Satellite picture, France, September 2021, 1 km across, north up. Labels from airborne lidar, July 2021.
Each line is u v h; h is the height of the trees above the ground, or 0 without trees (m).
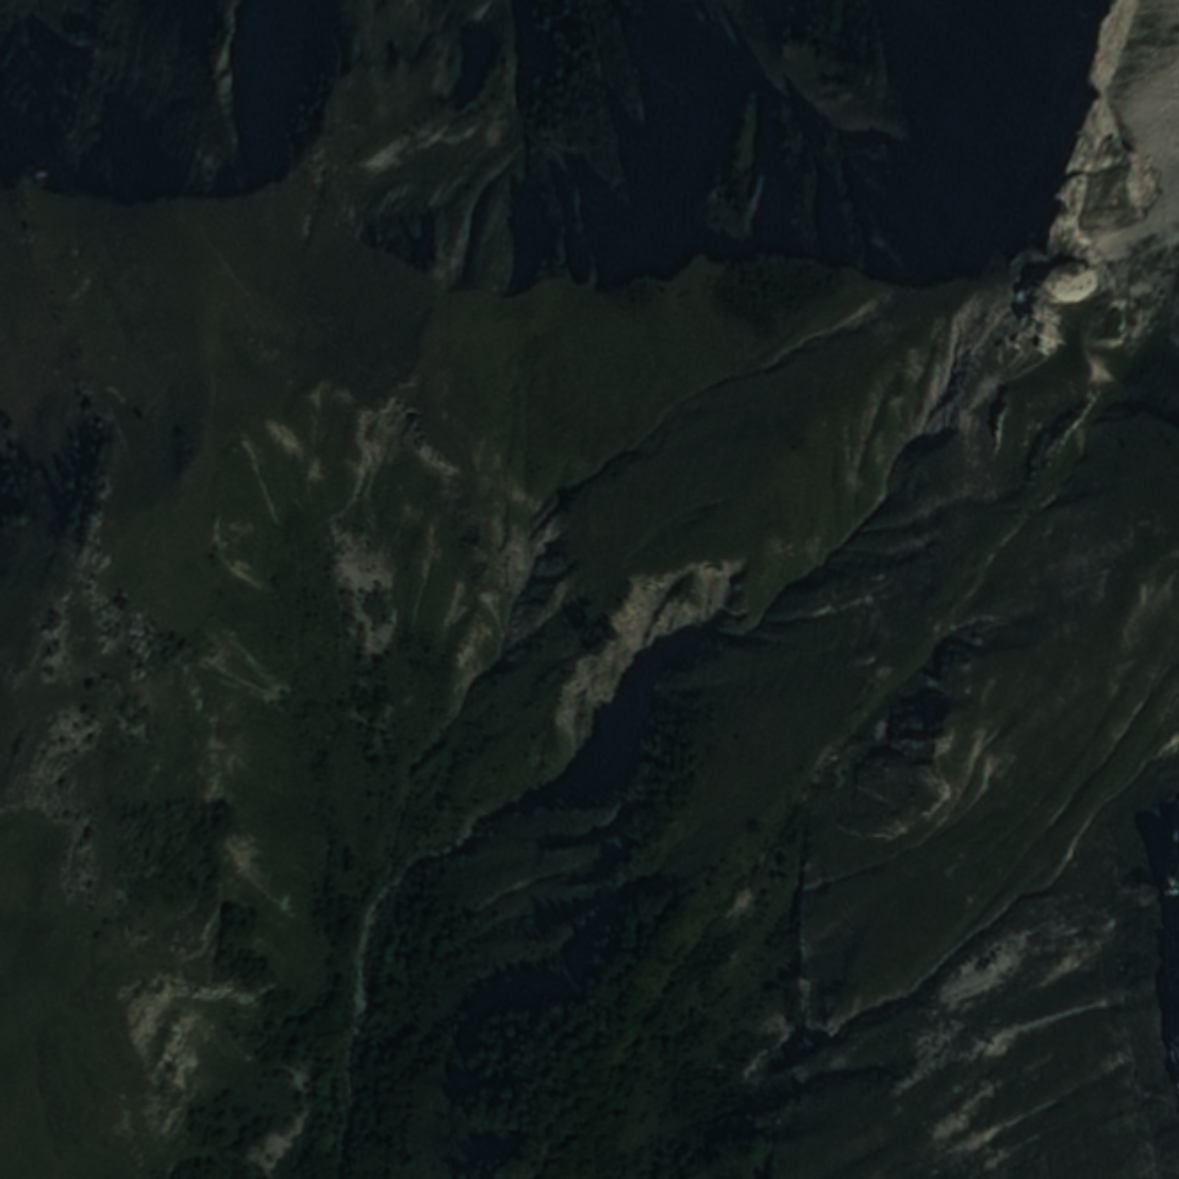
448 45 0
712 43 0
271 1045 12
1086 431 0
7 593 0
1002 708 0
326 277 0
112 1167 0
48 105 0
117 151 0
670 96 0
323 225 0
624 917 15
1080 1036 0
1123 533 0
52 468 0
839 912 0
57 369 0
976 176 0
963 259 0
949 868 0
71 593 0
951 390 0
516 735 0
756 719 0
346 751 0
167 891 7
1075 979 0
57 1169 0
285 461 0
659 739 9
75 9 0
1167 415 0
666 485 0
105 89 0
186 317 0
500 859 0
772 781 0
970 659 0
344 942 12
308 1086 8
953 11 0
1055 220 0
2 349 0
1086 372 0
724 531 0
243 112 0
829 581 0
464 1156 0
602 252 0
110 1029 0
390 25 0
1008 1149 0
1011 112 0
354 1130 15
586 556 0
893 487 0
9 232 0
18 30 0
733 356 0
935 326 0
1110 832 0
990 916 0
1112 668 0
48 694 0
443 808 10
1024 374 0
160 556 0
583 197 0
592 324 0
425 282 0
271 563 0
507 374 0
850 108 0
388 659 9
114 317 0
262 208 0
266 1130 9
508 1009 12
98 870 0
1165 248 0
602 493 0
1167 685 0
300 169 0
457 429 0
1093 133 0
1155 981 0
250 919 15
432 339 0
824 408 0
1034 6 0
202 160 0
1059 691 0
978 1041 0
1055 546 0
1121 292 0
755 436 0
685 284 0
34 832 0
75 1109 0
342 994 11
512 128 0
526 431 0
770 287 7
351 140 0
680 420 0
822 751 0
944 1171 0
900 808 0
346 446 0
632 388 0
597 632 8
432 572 0
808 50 6
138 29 0
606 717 0
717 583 0
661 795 7
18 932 0
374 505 0
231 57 0
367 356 0
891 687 0
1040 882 0
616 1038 14
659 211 0
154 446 0
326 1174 13
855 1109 0
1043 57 0
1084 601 0
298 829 0
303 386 0
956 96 0
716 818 0
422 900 10
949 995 0
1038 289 0
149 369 0
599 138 0
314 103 12
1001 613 0
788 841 8
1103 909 0
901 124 0
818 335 0
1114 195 0
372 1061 14
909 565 0
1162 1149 0
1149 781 0
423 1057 7
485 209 0
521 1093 20
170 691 0
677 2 0
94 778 0
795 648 0
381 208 0
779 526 0
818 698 0
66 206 0
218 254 0
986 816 0
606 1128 9
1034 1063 0
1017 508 0
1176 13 0
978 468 0
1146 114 0
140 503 0
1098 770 0
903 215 0
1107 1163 0
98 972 0
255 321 0
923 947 0
